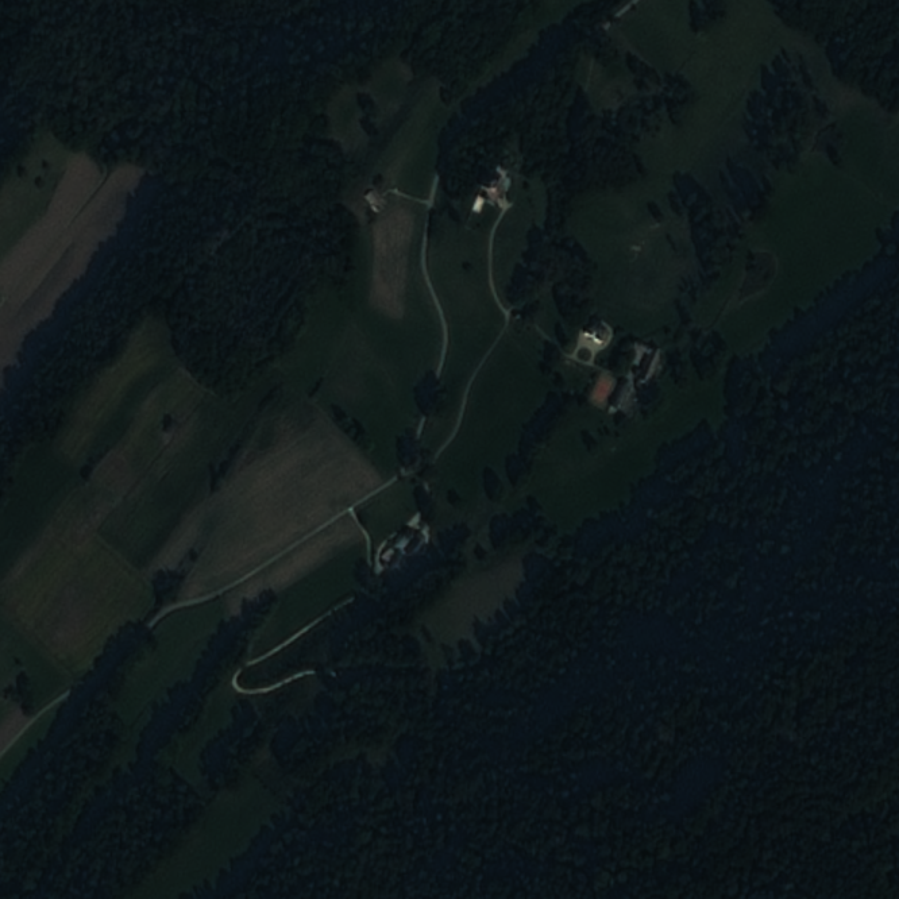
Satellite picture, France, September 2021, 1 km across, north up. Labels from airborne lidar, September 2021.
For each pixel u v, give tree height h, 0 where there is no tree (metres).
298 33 32
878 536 30
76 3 16
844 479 28
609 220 0
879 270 0
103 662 0
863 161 0
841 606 26
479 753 20
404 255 0
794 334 0
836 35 13
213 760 0
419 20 22
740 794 22
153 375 0
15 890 6
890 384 35
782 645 29
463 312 0
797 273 0
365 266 0
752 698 28
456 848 13
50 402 24
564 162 22
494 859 18
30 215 0
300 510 0
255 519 0
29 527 0
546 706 18
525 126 9
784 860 29
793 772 26
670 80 0
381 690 27
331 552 0
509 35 28
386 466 0
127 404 0
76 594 0
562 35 11
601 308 0
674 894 29
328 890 22
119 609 0
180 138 30
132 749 0
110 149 16
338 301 0
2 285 0
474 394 0
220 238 28
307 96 29
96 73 19
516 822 26
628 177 36
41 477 0
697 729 15
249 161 29
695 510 31
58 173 0
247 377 13
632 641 20
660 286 0
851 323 29
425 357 0
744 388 27
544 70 18
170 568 0
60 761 28
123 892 25
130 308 23
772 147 18
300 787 22
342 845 16
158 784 25
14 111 23
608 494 0
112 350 24
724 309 0
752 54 0
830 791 23
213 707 0
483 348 0
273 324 20
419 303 0
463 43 22
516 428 0
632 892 24
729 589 34
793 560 17
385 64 22
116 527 0
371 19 29
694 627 36
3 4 17
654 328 0
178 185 23
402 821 20
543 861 23
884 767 24
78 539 0
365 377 0
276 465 0
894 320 37
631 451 0
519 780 15
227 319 19
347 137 0
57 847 10
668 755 17
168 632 0
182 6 20
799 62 0
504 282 0
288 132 21
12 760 0
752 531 33
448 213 0
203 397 0
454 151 23
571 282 32
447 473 0
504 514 0
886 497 27
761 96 0
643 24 0
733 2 0
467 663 19
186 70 9
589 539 0
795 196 0
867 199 0
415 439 0
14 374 0
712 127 0
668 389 0
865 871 13
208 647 0
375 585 24
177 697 0
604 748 18
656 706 25
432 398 13
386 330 0
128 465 0
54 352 17
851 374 31
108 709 13
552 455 0
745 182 0
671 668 34
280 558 0
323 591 0
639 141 25
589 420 0
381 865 17
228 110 28
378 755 28
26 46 20
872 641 28
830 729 23
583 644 16
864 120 0
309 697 0
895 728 30
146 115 35
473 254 0
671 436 0
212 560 0
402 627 26
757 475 31
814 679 27
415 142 0
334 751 19
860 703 26
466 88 22
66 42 27
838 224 0
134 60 38
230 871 0
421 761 32
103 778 24
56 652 0
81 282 0
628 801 20
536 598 22
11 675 0
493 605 0
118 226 0
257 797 0
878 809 10
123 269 24
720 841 29
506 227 0
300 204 25
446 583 16
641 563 33
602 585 31
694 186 0
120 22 23
